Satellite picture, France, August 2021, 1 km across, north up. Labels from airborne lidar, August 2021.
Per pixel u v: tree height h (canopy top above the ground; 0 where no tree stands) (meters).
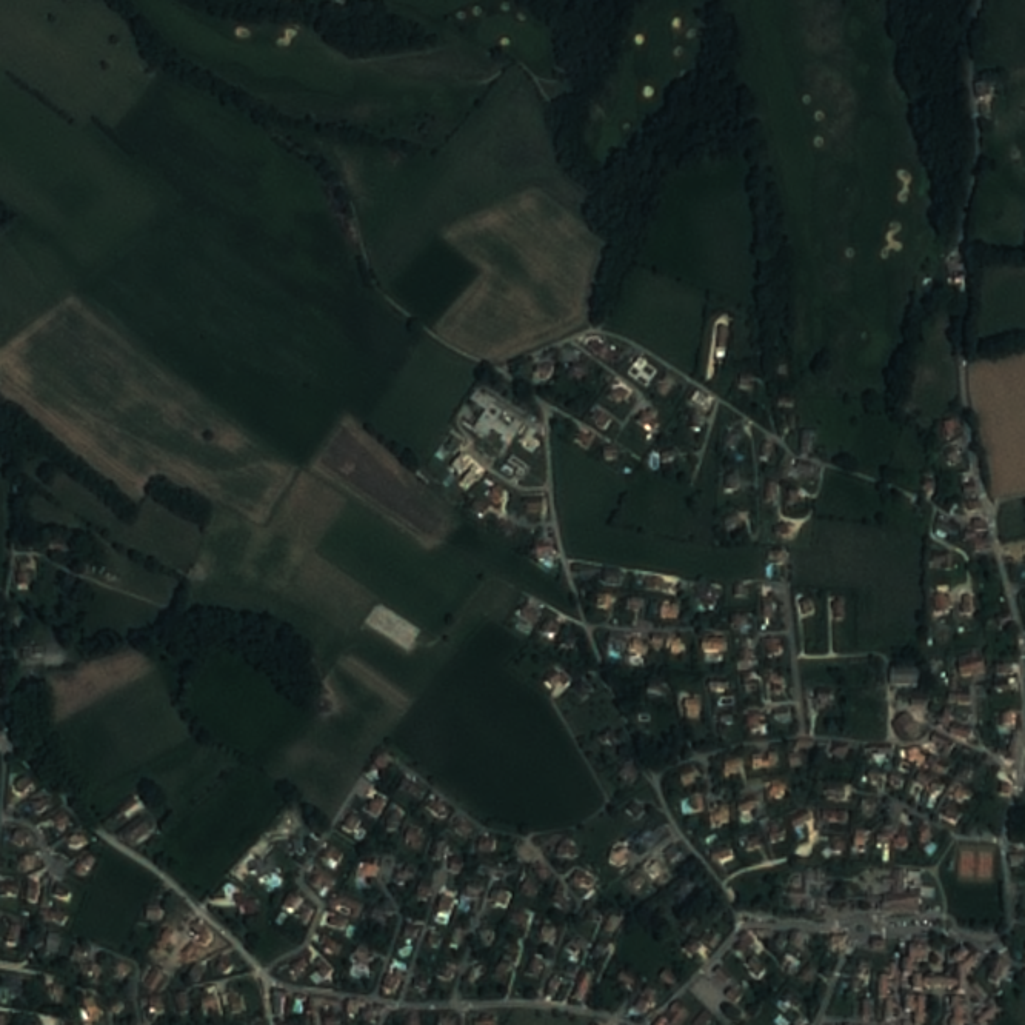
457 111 0
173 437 0
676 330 0
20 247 0
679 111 21
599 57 20
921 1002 0
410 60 0
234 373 0
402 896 7
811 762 7
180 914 0
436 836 6
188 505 12
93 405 0
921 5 16
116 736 0
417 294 0
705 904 22
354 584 0
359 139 13
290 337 0
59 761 24
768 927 0
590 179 17
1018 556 0
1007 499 0
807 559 0
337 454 0
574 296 0
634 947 0
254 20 15
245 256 0
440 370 0
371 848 14
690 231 0
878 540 0
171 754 0
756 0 0
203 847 0
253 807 0
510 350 0
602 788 0
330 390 0
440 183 0
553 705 0
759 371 7
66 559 9
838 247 0
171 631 22
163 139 0
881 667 6
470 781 0
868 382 0
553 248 0
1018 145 0
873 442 0
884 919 0
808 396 0
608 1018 0
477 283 0
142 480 0
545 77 0
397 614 0
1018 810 11
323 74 0
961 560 0
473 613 0
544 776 0
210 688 0
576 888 6
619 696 7
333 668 0
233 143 0
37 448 12
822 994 11
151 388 0
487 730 0
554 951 13
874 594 0
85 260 0
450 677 0
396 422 0
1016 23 0
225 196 0
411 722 0
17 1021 6
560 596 0
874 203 0
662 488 0
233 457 0
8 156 0
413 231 0
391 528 0
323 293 0
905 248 0
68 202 0
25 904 6
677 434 6
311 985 0
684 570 0
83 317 0
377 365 0
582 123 18
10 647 14
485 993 11
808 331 0
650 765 20
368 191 0
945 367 0
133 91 0
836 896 13
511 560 0
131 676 0
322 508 0
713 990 0
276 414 0
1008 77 10
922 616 12
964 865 0
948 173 27
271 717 0
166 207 0
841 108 0
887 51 0
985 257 25
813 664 0
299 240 0
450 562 0
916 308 13
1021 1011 0
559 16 17
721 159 20
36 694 26
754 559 0
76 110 0
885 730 0
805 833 0
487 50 0
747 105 23
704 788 8
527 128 0
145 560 13
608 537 0
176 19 0
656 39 0
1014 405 0
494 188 0
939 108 24
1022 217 0
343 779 0
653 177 17
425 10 0
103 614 0
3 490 0
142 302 0
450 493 0
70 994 8
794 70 0
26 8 0
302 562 0
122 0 16
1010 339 17
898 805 0
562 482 0
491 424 0
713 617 11
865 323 0
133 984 11
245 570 0
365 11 21
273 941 0
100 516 0
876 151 0
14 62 0
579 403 9
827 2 0
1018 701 0
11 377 0
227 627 26
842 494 0
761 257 18
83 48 0
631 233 17
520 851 0
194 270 0
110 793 0
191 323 0
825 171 0
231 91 13
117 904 0
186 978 11
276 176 0
